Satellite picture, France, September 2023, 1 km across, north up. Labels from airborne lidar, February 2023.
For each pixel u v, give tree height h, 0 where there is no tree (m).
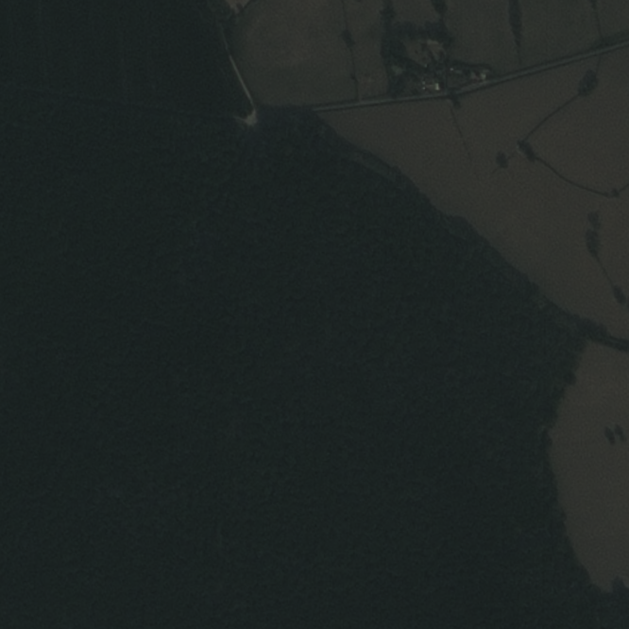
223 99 19
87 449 31
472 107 0
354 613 32
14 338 30
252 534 27
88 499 30
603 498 0
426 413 34
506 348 31
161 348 31
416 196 22
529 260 0
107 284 30
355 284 31
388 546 32
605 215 0
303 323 31
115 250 30
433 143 0
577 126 0
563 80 0
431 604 26
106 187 27
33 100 25
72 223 27
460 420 32
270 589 29
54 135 30
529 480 31
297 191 34
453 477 31
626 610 16
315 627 30
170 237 32
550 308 13
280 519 28
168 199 25
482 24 0
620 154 0
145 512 32
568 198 0
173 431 30
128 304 30
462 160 0
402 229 34
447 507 30
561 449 0
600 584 0
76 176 31
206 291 31
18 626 30
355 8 0
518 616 26
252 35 0
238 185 36
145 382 32
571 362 12
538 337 30
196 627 33
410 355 27
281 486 31
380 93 0
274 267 38
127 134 28
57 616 26
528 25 0
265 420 32
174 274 28
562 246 0
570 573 20
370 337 38
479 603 32
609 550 0
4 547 28
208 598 29
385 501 33
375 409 37
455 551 28
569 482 0
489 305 27
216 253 35
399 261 33
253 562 33
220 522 27
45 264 28
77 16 18
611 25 0
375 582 32
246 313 35
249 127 0
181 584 31
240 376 31
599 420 0
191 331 31
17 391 30
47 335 31
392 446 39
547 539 24
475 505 30
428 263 32
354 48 0
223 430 25
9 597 30
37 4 16
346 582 26
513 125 0
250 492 31
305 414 35
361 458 39
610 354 0
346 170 31
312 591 32
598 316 0
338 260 28
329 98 0
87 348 32
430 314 31
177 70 18
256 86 0
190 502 29
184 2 18
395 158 0
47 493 32
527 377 30
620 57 0
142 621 33
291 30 0
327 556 30
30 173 29
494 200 0
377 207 33
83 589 32
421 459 34
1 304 29
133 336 34
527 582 25
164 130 28
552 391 25
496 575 29
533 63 0
